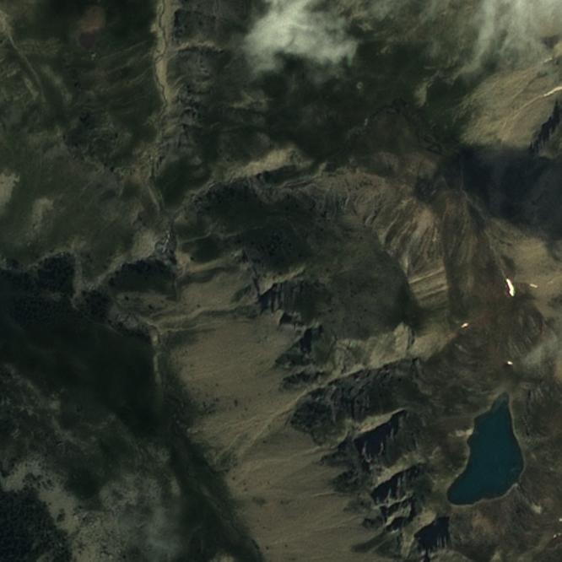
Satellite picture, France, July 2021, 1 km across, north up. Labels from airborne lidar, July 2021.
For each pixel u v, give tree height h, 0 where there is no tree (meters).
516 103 0
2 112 0
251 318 0
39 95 0
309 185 0
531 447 0
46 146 0
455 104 0
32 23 0
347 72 0
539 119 0
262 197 0
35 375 0
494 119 0
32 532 5
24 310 11
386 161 0
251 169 0
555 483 0
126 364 0
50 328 0
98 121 0
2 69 0
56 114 0
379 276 0
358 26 0
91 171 0
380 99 0
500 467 0
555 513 0
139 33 0
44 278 11
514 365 0
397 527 0
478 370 0
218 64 0
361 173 0
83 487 0
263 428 0
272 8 0
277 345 0
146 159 0
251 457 0
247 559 0
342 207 0
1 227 0
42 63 0
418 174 0
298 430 0
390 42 0
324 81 0
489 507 0
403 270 0
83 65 0
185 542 0
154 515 0
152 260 0
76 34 0
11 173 0
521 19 0
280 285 0
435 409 0
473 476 0
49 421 0
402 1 0
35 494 0
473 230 0
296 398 0
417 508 0
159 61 0
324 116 0
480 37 0
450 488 0
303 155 0
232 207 0
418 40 0
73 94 0
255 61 0
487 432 0
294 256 0
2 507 8
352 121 0
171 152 0
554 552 0
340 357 0
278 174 0
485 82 0
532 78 0
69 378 0
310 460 0
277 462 0
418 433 0
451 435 0
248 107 0
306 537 0
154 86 0
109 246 0
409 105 0
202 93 0
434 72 0
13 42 0
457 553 0
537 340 0
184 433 0
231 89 0
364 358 0
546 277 0
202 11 0
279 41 0
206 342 0
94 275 0
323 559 0
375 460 0
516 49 0
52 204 0
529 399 0
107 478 0
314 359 0
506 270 0
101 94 0
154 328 0
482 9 0
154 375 0
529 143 0
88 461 0
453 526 0
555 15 0
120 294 0
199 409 0
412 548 0
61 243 0
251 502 0
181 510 0
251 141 0
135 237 0
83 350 0
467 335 0
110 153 0
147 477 0
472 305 0
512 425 0
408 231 0
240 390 0
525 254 0
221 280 0
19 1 0
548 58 0
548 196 0
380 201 0
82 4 0
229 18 0
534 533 0
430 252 0
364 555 0
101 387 0
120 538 0
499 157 0
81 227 0
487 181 0
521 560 0
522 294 0
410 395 0
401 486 0
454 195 0
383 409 0
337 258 0
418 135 0
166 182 0
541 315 0
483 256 0
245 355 0
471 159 0
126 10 0
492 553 0
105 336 0
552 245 0
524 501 0
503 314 0
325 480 0
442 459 0
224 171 0
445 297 0
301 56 0
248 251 0
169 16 0
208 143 0
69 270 9
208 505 0
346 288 0
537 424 0
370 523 7
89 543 0
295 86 0
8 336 0
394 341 0
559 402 0
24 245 0
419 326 0
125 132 0
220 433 0
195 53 0
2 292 0
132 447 0
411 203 0
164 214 0
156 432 0
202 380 0
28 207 0
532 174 0
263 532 0
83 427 0
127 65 0
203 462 0
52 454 0
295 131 0
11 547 11
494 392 0
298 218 0
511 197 0
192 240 0
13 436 0
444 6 0
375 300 0
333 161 0
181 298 0
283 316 0
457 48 0
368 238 0
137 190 0
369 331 0
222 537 0
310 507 0
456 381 0
